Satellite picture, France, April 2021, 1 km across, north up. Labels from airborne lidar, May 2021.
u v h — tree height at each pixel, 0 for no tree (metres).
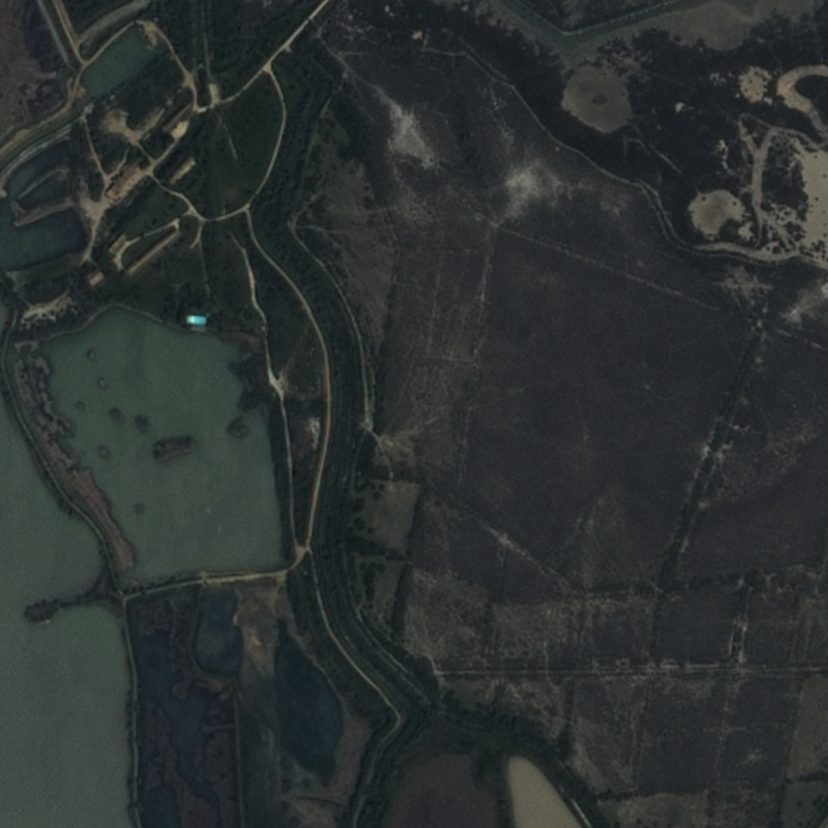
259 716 0
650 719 0
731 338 0
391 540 0
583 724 0
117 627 0
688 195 0
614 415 0
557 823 0
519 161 0
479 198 0
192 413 0
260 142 0
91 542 0
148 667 0
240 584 0
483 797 0
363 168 0
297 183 7
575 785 6
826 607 0
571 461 0
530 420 0
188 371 0
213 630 0
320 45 8
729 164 0
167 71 6
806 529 0
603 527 0
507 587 0
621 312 0
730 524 0
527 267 0
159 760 0
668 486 0
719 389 0
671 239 0
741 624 0
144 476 0
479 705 0
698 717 0
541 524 0
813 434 0
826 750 0
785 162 0
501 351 0
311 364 0
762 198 0
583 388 0
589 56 0
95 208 0
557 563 0
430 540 0
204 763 0
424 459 0
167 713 0
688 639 0
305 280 6
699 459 0
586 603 0
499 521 0
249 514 0
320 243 0
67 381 0
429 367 0
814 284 0
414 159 0
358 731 0
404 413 0
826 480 0
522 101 0
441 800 0
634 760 0
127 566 0
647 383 0
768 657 0
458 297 0
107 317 0
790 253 0
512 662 0
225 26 6
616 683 0
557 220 0
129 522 0
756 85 0
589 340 0
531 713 0
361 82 0
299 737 0
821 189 0
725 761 0
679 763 0
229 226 0
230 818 0
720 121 0
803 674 0
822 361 0
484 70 0
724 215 0
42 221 0
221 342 0
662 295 0
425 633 0
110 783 0
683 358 0
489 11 0
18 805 0
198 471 0
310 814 0
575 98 0
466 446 0
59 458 0
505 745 0
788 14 0
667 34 0
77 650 0
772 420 0
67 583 0
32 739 0
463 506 0
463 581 0
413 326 0
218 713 0
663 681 0
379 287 0
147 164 7
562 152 0
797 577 0
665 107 0
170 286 0
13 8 0
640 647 0
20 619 0
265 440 0
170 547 0
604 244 0
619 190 0
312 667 0
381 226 0
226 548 0
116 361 0
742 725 0
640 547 0
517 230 0
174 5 8
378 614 0
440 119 0
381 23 0
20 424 0
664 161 0
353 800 7
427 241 0
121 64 0
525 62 0
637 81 0
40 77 0
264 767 0
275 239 7
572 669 0
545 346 0
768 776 0
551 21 6
